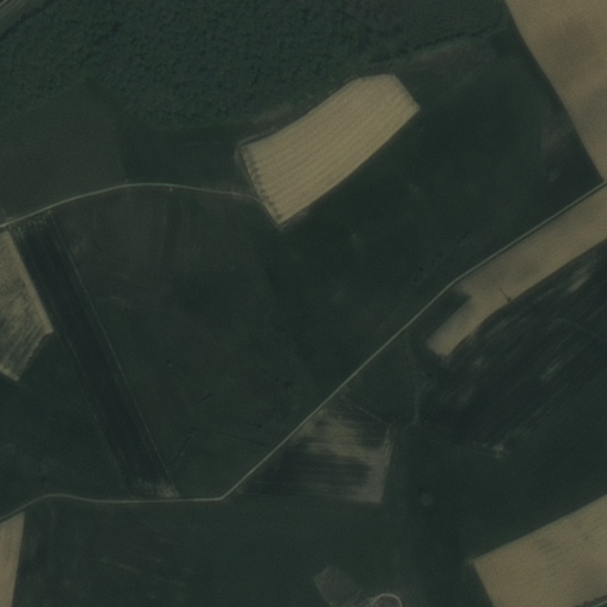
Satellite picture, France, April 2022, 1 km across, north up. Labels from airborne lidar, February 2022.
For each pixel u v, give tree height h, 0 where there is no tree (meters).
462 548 0
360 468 0
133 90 28
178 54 28
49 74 25
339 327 0
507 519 0
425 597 0
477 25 9
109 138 0
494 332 0
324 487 0
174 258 0
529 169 0
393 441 0
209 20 24
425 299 0
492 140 0
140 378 0
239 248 0
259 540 0
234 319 0
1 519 0
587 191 0
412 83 0
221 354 0
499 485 0
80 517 0
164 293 0
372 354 0
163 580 0
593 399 0
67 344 0
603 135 0
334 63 27
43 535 0
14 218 0
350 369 0
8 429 0
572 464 0
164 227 0
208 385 0
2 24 0
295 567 0
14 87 28
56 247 0
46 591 0
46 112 0
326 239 0
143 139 0
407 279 0
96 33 23
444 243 0
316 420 0
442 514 0
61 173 0
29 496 0
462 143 0
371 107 0
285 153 0
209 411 0
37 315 0
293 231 0
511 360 0
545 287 0
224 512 0
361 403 0
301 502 0
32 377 0
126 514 0
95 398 0
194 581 0
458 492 0
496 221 0
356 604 0
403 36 26
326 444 0
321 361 0
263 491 0
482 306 0
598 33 0
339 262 0
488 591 0
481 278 0
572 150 0
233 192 0
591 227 0
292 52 30
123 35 25
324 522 0
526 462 0
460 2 7
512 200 0
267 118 22
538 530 0
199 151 0
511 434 0
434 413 0
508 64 0
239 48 29
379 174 0
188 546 0
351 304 0
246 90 28
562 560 0
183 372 0
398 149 0
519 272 0
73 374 0
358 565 0
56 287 0
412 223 0
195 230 0
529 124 0
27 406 0
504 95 0
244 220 0
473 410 0
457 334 0
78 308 0
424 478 0
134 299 0
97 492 0
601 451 0
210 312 0
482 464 0
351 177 0
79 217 0
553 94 0
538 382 0
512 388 0
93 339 0
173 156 0
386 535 0
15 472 0
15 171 0
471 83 0
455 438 0
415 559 0
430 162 0
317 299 0
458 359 0
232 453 0
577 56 0
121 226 0
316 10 28
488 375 0
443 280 0
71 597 0
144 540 0
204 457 0
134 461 0
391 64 23
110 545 0
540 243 0
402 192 0
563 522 0
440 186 0
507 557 0
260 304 0
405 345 7
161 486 0
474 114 0
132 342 0
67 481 0
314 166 0
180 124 23
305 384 0
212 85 26
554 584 0
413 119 0
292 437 0
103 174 0
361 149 0
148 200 0
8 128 0
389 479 0
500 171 0
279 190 0
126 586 0
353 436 0
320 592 0
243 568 0
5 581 0
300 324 0
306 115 0
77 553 0
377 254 0
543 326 0
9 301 0
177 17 21
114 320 0
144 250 0
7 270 0
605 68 0
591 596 0
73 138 0
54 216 0
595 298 0
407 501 0
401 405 0
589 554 0
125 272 0
